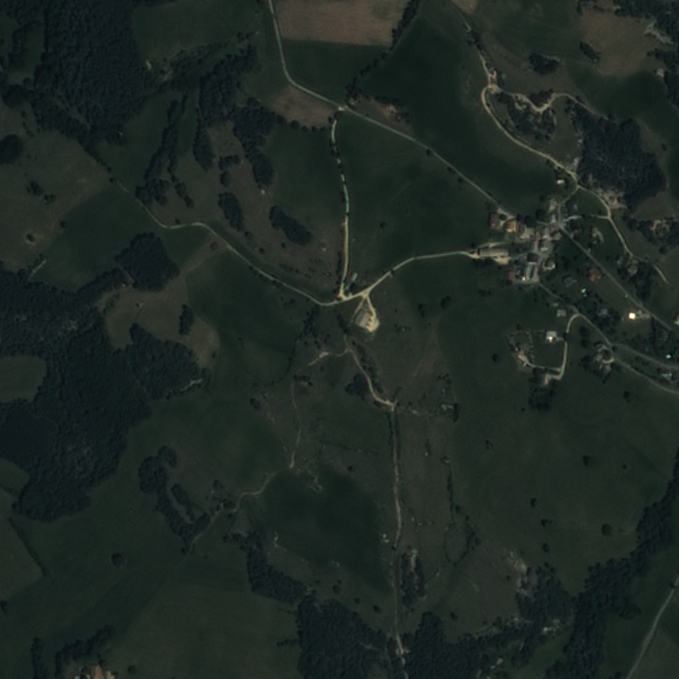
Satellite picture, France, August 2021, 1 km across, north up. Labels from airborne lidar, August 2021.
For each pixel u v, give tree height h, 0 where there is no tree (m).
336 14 0
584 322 0
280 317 0
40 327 12
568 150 0
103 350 11
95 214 0
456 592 0
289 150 0
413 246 0
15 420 19
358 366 0
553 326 0
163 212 0
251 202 0
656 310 0
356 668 11
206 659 0
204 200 0
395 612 0
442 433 0
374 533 0
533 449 0
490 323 0
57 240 0
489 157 0
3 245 0
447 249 0
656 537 16
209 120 11
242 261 0
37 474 10
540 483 0
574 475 0
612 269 0
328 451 0
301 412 0
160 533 0
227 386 0
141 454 0
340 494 0
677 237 10
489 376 0
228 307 0
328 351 0
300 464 0
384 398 0
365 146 0
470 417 0
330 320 0
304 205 0
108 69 17
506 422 0
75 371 18
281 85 0
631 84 0
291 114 0
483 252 0
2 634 0
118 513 0
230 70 12
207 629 0
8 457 19
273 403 0
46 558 0
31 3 16
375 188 0
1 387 0
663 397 0
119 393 13
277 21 0
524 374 0
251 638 0
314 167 0
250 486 0
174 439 0
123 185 0
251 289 0
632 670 0
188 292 0
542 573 10
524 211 0
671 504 18
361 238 0
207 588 0
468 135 0
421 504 0
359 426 0
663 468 0
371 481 0
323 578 0
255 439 0
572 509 0
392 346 0
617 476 0
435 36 0
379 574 0
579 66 0
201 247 0
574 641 12
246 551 12
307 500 0
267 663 0
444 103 0
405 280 0
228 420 0
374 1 0
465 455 0
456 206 0
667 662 0
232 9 0
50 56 16
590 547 0
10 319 12
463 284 0
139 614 0
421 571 7
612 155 8
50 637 0
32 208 0
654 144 0
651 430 0
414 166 0
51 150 0
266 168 14
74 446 11
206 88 18
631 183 11
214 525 0
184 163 0
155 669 0
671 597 0
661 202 0
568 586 0
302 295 0
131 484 0
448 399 0
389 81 0
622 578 17
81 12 14
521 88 0
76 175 0
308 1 0
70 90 14
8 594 0
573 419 0
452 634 0
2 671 0
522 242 0
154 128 0
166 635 0
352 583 0
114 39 12
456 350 0
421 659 13
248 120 15
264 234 0
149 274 17
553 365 0
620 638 0
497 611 0
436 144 0
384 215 0
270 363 0
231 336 0
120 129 11
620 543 0
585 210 0
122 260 13
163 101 0
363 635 9
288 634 0
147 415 13
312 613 14
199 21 0
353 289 11
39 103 19
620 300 0
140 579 0
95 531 0
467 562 0
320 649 13
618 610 11
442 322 0
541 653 0
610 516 0
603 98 0
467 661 11
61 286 0
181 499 13
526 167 0
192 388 8
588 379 0
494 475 0
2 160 18
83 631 0
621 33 0
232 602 0
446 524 0
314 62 0
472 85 0
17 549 0
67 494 15
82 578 0
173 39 0
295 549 0
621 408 0
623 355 0
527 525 0
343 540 0
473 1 0
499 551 0
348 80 0
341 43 0
